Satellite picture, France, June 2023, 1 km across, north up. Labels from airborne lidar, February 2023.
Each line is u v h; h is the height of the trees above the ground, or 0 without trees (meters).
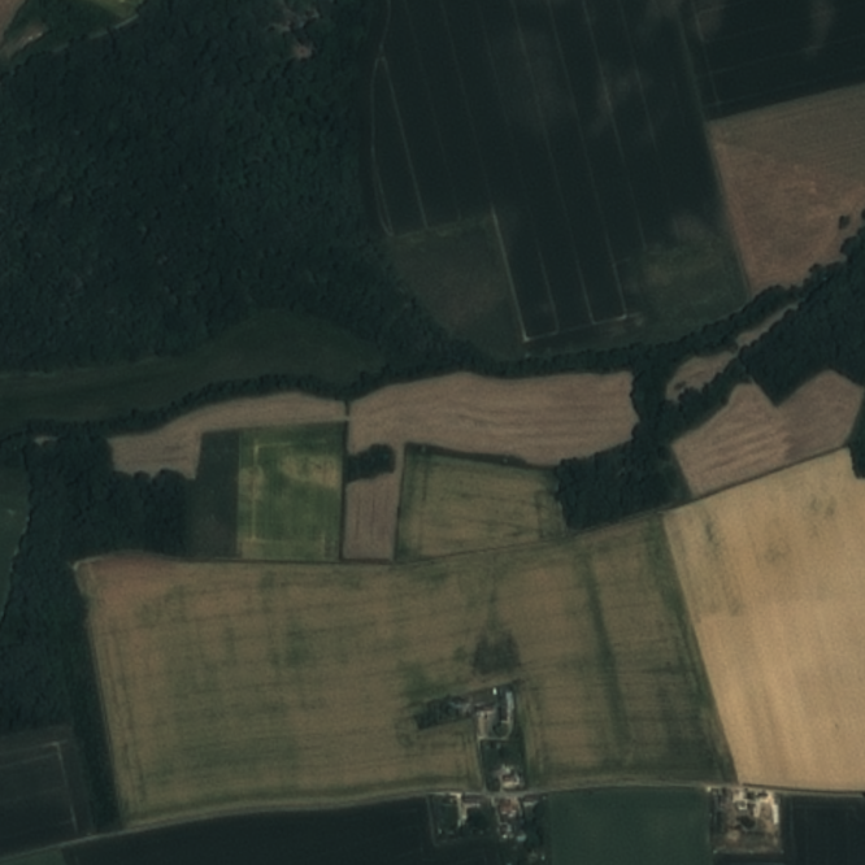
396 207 0
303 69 22
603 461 17
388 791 0
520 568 0
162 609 0
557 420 0
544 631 0
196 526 0
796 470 0
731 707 0
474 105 0
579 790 0
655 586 0
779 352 20
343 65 16
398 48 0
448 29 0
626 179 0
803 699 0
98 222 21
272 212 22
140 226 21
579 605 0
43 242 19
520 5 0
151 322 16
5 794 0
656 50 0
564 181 0
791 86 0
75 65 22
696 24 0
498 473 0
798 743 0
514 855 0
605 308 0
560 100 0
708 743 0
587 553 0
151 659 0
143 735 0
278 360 0
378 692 0
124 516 23
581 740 0
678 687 0
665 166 0
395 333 16
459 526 0
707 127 0
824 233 0
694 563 0
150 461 0
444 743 0
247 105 21
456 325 0
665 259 0
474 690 0
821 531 0
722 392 16
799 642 0
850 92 0
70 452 23
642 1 0
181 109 21
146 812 0
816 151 0
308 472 0
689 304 0
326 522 0
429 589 0
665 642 0
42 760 0
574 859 0
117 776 0
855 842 0
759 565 0
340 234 19
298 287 21
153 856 0
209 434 0
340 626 0
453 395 0
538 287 0
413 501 0
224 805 0
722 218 0
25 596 13
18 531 0
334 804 0
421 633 0
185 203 23
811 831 0
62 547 16
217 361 0
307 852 0
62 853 0
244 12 24
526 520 0
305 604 0
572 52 0
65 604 20
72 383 0
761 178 0
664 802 0
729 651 0
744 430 0
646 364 20
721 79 0
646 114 0
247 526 0
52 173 12
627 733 0
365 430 0
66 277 19
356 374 0
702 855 0
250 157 24
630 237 0
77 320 18
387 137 0
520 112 0
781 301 20
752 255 0
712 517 0
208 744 0
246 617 0
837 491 0
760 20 0
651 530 0
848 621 0
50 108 19
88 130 22
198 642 0
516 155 0
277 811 0
